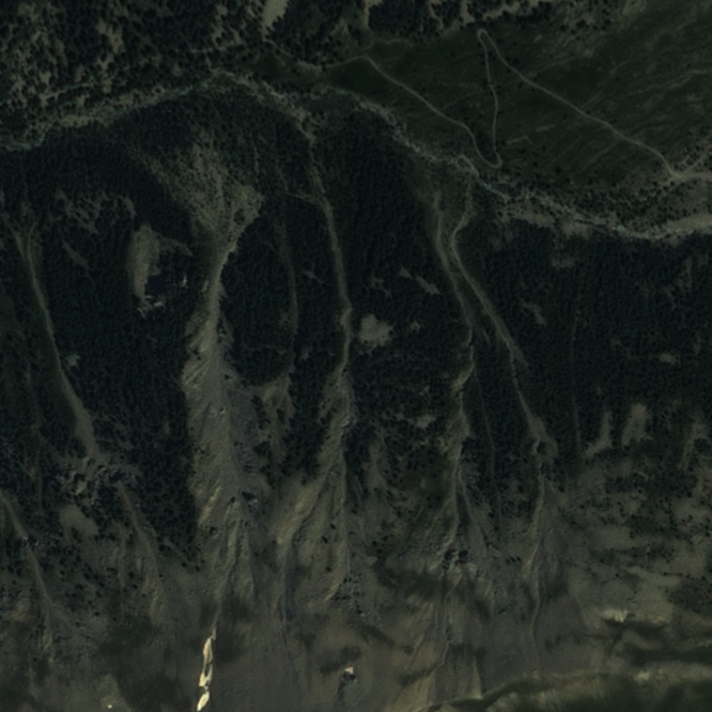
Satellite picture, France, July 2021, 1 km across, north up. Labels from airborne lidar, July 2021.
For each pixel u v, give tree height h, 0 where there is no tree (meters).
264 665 0
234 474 0
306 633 0
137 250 0
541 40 0
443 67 0
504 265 12
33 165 19
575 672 0
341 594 0
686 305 9
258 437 0
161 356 11
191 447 7
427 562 0
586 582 0
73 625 0
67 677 0
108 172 17
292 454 7
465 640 0
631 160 0
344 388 0
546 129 0
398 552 0
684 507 0
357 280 13
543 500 0
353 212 9
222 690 0
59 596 0
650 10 0
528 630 0
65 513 0
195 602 0
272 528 0
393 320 14
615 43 0
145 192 19
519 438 7
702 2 0
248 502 0
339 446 0
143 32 27
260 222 14
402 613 0
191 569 0
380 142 8
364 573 0
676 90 0
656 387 8
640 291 10
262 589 0
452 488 0
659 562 0
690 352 13
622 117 0
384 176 12
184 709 0
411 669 0
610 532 0
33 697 0
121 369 10
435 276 16
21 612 0
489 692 0
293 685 0
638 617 0
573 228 0
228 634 0
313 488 0
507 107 0
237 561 0
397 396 10
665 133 0
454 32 0
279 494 0
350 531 0
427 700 0
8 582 0
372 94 0
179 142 16
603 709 0
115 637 0
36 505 8
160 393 7
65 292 19
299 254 7
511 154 0
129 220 14
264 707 0
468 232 6
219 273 0
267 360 19
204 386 0
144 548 0
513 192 10
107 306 20
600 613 0
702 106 0
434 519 0
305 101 9
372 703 0
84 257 12
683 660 0
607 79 0
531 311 8
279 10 0
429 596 0
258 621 0
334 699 0
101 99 15
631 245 8
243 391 0
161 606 0
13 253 11
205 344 0
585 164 0
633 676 0
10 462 11
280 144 11
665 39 0
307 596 0
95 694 0
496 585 0
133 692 0
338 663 0
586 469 0
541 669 0
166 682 0
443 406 10
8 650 0
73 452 6
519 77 0
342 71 0
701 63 0
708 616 0
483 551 0
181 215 12
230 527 0
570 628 0
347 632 0
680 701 0
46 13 11
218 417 0
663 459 11
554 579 0
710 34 0
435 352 12
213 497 0
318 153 13
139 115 16
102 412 12
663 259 10
